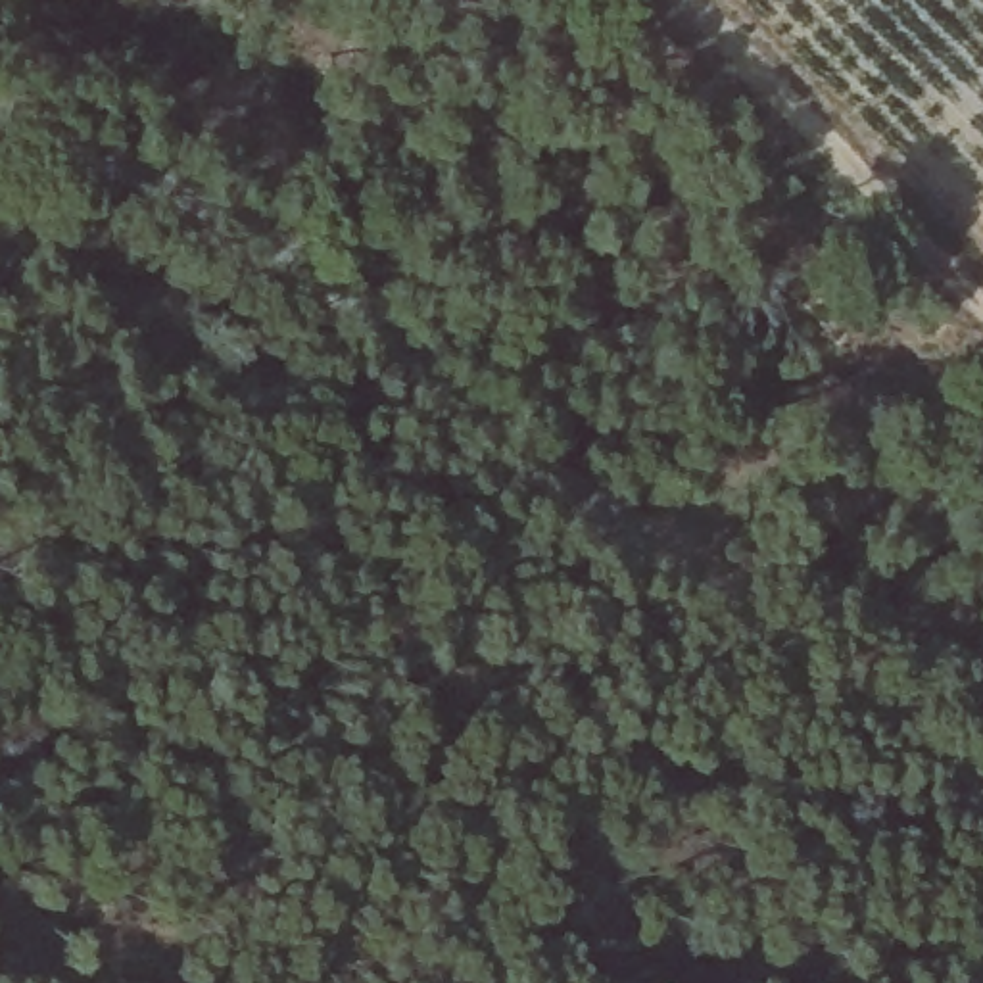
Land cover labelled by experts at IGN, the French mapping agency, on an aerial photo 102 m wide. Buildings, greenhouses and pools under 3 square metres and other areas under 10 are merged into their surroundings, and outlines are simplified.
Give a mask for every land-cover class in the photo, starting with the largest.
<instances>
[{"label":"coniferous trees","instance_id":"1","mask_svg":"<svg viewBox=\"0 0 983 983\"><path fill-rule=\"evenodd\" d=\"M833 123L818 96L787 65H764L749 58L745 35L722 31L718 4L710 12H695V4L687 0H0V983H983V184L960 161L956 146L945 134H933L929 142L910 146L906 161L875 157L872 173L887 180V192H856V184L833 169L826 154V134Z\"/></svg>","mask_w":983,"mask_h":983},{"label":"vineyard","instance_id":"2","mask_svg":"<svg viewBox=\"0 0 983 983\"><path fill-rule=\"evenodd\" d=\"M695 4V12H710L718 4L722 31L745 35L749 58L764 65H787L818 96L833 123L826 134V154L833 169L856 184V192H887V180L872 173L875 157L906 161L910 146L929 142L933 134H945L956 146L960 161L983 184V0H687Z\"/></svg>","mask_w":983,"mask_h":983}]
</instances>
